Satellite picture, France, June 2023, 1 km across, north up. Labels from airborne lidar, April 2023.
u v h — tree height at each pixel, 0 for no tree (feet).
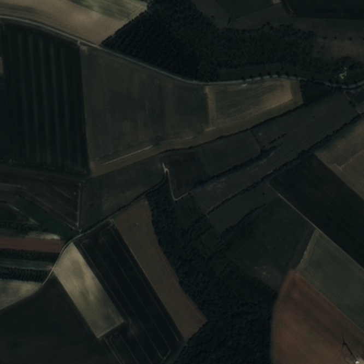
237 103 0
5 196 0
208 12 0
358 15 0
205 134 0
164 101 0
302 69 22
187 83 0
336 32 0
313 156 0
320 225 0
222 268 0
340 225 0
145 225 0
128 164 0
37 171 0
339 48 0
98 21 0
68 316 0
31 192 0
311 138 0
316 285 0
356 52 0
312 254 0
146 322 0
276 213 0
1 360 0
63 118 0
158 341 0
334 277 0
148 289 0
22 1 0
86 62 0
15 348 0
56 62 0
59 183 0
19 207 0
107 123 0
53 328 0
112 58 0
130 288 0
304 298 0
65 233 0
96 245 0
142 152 0
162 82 0
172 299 0
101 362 0
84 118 0
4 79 0
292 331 0
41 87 0
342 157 0
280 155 0
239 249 0
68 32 0
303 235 0
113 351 0
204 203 0
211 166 0
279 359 0
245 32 61
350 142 0
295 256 0
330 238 0
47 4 0
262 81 0
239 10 0
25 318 0
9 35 0
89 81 0
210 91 0
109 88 0
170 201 48
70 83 0
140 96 0
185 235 42
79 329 0
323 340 0
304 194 0
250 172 0
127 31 22
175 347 0
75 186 0
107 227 0
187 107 0
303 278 0
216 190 0
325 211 0
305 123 0
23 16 0
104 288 0
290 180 0
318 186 0
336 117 0
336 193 0
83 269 0
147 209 0
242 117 0
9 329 0
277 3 0
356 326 0
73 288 0
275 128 0
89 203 0
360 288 0
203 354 44
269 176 30
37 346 0
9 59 0
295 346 0
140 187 0
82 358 0
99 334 0
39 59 0
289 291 0
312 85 51
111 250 0
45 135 0
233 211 0
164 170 0
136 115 0
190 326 0
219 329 23
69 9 0
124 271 0
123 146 0
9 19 0
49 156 0
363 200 0
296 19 0
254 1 0
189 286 52
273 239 0
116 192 0
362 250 0
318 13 0
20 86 0
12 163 0
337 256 0
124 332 0
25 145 0
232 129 0
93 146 0
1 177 0
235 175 0
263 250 0
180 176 0
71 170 0
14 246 0
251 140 0
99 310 0
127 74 0
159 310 0
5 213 0
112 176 0
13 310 0
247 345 61
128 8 0
